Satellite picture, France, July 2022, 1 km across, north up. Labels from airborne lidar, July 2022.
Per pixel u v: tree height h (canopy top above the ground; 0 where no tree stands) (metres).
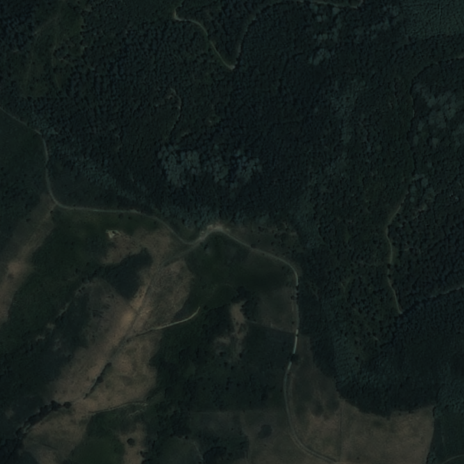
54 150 9
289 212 14
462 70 27
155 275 0
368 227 14
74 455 10
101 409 0
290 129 21
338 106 15
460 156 14
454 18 12
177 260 0
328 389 0
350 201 20
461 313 21
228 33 24
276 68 18
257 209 18
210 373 6
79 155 14
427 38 9
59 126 20
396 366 16
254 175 20
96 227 0
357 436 0
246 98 22
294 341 0
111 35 19
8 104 13
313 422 0
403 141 20
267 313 0
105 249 0
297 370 0
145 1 19
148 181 19
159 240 0
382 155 13
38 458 0
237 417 0
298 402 0
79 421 0
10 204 6
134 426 0
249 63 20
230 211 20
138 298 0
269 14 18
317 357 5
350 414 0
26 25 29
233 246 0
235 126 15
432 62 8
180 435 13
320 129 16
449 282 24
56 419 0
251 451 0
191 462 0
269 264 0
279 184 16
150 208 16
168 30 23
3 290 0
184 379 7
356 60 19
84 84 25
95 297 0
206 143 26
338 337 17
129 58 26
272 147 17
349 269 11
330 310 16
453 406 13
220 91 28
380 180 27
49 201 0
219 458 13
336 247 19
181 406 19
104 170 11
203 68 22
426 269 26
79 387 0
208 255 0
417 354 12
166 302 0
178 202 22
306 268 7
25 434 6
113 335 0
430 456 12
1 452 17
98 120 18
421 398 13
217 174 34
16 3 10
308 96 12
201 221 10
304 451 0
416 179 36
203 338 12
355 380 16
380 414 6
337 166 19
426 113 25
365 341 12
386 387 13
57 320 9
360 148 21
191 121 25
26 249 0
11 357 13
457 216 27
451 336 13
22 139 0
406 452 0
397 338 25
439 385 13
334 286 20
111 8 25
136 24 24
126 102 9
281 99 18
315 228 21
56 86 16
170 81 26
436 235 24
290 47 25
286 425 0
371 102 15
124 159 27
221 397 8
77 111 12
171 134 17
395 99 11
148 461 15
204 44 24
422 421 0
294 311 0
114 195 10
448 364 15
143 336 0
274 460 0
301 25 18
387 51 23
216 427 0
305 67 20
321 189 27
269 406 0
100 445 0
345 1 23
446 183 28
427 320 23
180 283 0
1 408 7
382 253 8
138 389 0
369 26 18
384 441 0
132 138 25
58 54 29
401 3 17
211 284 0
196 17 21
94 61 23
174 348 7
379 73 16
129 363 0
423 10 10
